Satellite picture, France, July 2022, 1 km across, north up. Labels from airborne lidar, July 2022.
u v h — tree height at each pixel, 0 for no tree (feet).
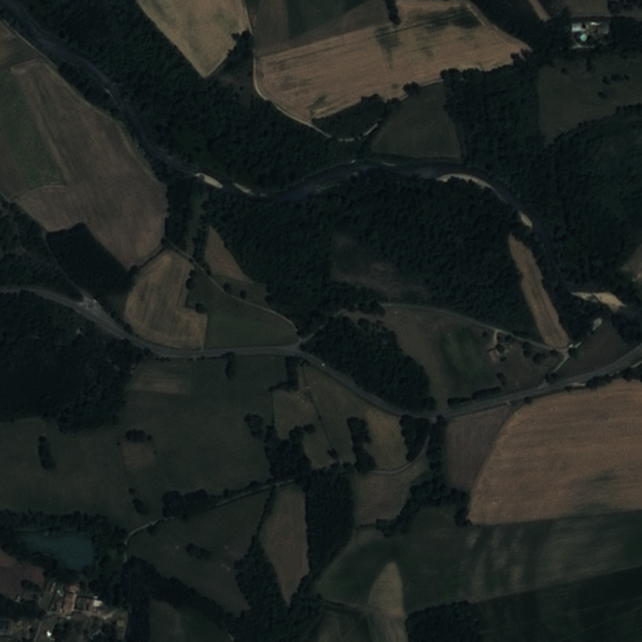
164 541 0
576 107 0
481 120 41
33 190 0
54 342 49
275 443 57
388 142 0
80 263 78
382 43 0
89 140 0
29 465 0
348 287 46
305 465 96
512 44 0
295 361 55
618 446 0
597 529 0
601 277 88
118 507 0
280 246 44
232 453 0
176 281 0
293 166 66
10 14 23
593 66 60
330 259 31
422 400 41
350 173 0
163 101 63
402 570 0
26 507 0
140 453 0
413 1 0
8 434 0
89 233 54
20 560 53
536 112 20
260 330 0
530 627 0
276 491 23
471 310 36
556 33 69
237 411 0
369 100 41
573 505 0
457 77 57
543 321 0
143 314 0
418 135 0
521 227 58
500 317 60
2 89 0
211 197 41
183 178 38
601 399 0
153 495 0
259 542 41
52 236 59
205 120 62
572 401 0
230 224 76
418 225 34
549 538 0
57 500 0
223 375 0
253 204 40
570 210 44
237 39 53
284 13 0
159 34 27
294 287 19
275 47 0
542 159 48
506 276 48
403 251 41
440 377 0
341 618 0
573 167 43
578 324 42
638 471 0
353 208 51
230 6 0
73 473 0
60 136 0
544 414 0
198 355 0
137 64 40
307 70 0
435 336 0
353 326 45
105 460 0
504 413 0
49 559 36
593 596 0
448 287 30
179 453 0
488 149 21
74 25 52
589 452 0
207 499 100
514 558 0
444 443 55
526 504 0
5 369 51
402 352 30
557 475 0
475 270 48
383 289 0
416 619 55
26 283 19
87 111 0
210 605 58
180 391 0
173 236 55
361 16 0
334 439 0
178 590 66
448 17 0
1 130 0
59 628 36
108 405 79
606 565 0
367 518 0
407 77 0
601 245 46
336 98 0
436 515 0
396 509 0
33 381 41
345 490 62
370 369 73
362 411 0
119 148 0
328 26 0
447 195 95
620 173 23
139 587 98
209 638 0
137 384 0
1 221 40
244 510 0
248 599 43
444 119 0
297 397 0
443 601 0
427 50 0
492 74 49
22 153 0
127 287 51
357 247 0
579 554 0
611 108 0
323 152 30
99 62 35
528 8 28
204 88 28
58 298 0
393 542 0
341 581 0
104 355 57
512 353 0
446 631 58
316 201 45
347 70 0
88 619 0
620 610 0
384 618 0
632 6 53
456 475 0
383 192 45
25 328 62
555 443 0
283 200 0
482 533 0
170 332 0
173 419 0
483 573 0
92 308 0
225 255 0
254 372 0
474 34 0
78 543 0
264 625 27
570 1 0
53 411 36
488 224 54
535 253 60
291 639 31
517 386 0
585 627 0
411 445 55
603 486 0
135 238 0
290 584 0
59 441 0
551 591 0
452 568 0
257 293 0
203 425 0
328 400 0
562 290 52
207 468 0
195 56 0
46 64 0
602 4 0
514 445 0
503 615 0
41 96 0
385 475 0
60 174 0
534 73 62
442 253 41
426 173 0
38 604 38
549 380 45
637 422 0
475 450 0
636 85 0
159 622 0
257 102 21
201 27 0
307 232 46
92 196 0
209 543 0
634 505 0
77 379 30
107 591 65
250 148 71
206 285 0
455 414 0
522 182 31
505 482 0
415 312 0
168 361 34
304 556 0
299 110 0
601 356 0
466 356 0
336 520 56
